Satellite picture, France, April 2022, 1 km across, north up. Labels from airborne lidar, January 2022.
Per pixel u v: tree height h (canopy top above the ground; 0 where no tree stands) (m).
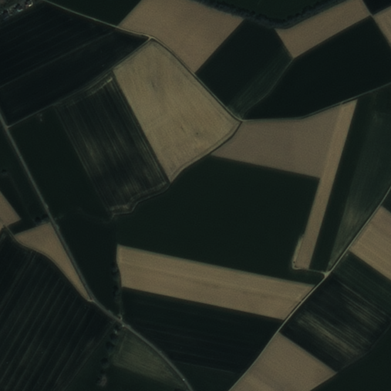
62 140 0
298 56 0
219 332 0
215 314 0
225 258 0
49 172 0
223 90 0
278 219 0
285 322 0
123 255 0
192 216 0
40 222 16
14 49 0
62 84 0
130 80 0
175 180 0
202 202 0
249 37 0
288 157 0
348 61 0
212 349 0
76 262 0
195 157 0
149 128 0
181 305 0
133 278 0
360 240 0
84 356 0
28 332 0
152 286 0
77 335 0
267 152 0
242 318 0
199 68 0
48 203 0
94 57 0
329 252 0
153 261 0
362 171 0
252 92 0
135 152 0
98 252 0
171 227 0
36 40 0
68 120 0
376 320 0
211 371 0
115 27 0
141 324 0
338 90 0
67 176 0
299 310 0
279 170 0
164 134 0
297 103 0
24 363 0
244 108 0
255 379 0
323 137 0
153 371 0
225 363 0
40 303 0
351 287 0
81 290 0
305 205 0
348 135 0
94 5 0
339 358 0
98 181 0
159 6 0
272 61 0
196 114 0
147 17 0
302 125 0
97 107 0
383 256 0
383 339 0
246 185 0
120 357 0
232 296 0
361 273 0
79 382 0
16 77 0
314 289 0
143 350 0
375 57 0
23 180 0
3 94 0
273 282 0
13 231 0
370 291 0
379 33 0
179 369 0
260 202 0
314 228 0
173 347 0
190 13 0
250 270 0
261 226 0
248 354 0
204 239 0
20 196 0
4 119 0
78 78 0
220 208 0
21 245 0
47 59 0
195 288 0
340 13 0
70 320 0
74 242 0
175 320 0
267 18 17
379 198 0
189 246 0
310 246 0
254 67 0
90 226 0
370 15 0
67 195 0
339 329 0
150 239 0
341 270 0
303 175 0
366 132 0
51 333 0
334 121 0
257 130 0
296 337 0
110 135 0
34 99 0
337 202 0
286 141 0
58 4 0
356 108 0
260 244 0
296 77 0
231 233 0
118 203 0
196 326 0
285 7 0
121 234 0
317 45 0
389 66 0
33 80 0
